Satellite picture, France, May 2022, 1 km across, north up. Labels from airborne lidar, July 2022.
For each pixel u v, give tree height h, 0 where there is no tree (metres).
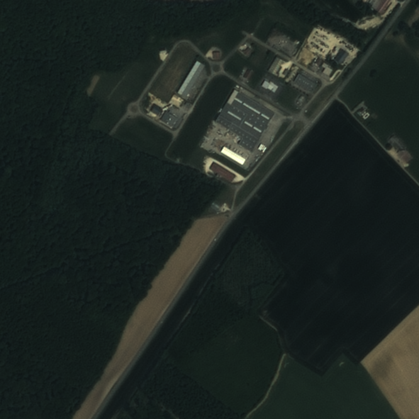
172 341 12
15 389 30
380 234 0
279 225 0
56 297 19
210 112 0
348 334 0
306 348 0
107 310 23
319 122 0
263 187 0
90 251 28
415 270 0
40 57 28
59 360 21
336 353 0
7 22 20
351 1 0
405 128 0
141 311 0
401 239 0
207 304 14
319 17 17
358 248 0
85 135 27
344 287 0
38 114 23
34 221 27
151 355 0
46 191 22
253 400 0
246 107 0
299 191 0
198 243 0
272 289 17
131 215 31
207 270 0
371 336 0
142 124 0
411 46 0
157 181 25
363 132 0
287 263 0
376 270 0
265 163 0
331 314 0
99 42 22
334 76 0
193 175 20
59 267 12
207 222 0
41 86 24
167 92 0
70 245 30
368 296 0
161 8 24
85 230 18
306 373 0
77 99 24
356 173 0
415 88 0
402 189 0
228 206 0
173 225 18
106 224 29
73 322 19
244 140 0
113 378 0
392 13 8
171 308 0
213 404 21
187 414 21
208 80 0
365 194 0
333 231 0
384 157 0
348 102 0
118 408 0
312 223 0
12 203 25
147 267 29
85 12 21
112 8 23
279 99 0
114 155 24
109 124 0
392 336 0
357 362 0
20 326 24
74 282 27
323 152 0
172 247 25
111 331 20
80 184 27
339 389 0
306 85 0
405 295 0
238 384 0
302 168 0
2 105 22
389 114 0
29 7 22
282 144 0
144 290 26
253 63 0
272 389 0
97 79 0
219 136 0
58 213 27
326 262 0
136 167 25
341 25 14
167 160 0
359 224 0
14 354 29
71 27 22
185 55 0
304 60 0
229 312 13
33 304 23
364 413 0
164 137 0
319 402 0
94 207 29
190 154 0
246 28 0
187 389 21
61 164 28
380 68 0
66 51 26
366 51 7
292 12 14
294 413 0
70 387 19
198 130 0
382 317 0
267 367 0
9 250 18
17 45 26
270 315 0
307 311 0
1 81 20
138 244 30
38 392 30
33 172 29
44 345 22
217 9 23
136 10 23
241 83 0
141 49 17
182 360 10
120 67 12
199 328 12
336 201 0
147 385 19
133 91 0
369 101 0
